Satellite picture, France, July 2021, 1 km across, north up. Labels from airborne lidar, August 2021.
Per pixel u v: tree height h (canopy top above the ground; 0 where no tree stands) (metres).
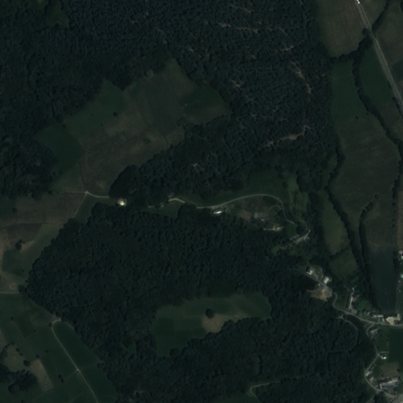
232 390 25
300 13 25
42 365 0
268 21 25
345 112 0
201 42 27
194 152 22
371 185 0
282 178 11
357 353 25
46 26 25
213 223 11
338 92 0
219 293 0
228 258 26
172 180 30
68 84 24
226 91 20
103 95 0
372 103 18
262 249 25
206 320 0
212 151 20
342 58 21
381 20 15
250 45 31
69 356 0
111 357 19
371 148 0
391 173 0
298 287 28
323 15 0
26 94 21
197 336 0
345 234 0
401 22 0
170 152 18
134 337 17
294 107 26
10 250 0
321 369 28
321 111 31
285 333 24
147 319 20
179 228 23
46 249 12
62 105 23
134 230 28
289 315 17
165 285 19
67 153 0
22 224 0
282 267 26
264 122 30
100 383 0
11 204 0
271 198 9
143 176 8
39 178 20
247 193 0
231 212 0
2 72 28
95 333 31
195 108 0
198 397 26
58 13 0
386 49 0
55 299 30
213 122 10
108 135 0
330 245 0
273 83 28
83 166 0
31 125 20
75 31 27
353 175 0
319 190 20
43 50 23
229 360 29
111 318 30
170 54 19
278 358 22
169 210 0
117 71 21
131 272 28
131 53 30
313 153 23
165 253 25
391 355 0
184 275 37
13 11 27
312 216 20
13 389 20
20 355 11
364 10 0
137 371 24
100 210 26
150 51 19
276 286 20
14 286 0
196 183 29
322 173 18
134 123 0
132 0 31
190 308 0
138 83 0
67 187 0
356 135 0
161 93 0
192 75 32
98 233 25
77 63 19
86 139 0
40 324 0
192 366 35
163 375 29
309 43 27
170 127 0
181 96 0
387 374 0
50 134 0
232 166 30
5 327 0
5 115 20
